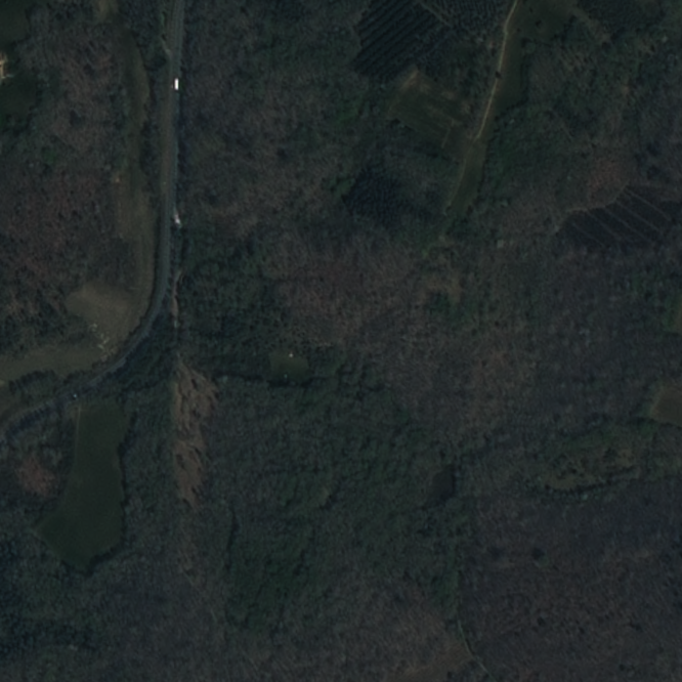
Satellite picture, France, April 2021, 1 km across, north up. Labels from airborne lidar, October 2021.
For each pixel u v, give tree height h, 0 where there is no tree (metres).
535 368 19
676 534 15
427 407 17
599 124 25
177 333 17
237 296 17
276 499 19
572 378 10
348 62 21
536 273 13
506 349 21
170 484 25
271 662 9
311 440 25
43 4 0
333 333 17
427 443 20
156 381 17
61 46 10
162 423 22
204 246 20
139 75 0
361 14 12
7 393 0
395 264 15
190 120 18
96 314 0
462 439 20
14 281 7
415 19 11
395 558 22
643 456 15
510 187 18
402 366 19
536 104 17
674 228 10
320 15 20
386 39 11
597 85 25
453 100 0
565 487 0
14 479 6
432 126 0
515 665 11
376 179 20
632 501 16
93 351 0
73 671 21
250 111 20
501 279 9
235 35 18
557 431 11
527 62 6
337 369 23
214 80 20
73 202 9
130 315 0
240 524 21
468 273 8
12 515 26
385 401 25
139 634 22
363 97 12
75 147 20
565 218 6
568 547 6
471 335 9
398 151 12
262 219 13
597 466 17
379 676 10
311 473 18
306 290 11
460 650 0
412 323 11
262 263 23
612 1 9
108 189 12
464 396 13
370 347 22
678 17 20
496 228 8
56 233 8
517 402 18
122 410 15
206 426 22
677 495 14
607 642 8
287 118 18
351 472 27
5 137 19
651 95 25
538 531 10
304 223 12
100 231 8
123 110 22
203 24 17
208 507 23
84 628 13
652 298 15
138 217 0
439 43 17
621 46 25
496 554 10
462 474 16
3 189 8
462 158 0
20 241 6
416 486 22
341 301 10
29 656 16
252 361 8
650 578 11
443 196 16
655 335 17
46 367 0
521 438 15
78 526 0
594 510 17
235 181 17
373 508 27
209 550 19
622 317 13
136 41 19
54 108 10
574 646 10
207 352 14
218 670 13
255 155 17
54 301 7
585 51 24
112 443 0
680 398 0
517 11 0
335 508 21
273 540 23
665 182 21
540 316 14
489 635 8
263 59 22
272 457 16
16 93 0
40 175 11
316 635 13
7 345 11
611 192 8
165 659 11
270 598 15
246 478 20
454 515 24
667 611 14
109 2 0
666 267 13
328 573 10
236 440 17
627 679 8
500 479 28
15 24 0
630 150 13
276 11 16
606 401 13
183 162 13
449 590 26
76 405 22
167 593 21
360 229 9
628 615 20
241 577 19
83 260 17
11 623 15
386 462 16
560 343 13
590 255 9
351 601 14
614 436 22
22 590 21
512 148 16
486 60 17
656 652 9
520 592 6
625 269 10
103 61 16
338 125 16
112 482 0
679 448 15
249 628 13
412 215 18
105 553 0
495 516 12
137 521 17
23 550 27
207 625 14
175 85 0
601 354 9
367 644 10
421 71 19
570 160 11
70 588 17
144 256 0
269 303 13
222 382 22
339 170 19
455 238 14
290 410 24
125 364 0
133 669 18
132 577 15
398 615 16
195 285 16
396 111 0
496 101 0
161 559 18
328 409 17
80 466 0
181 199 16
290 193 8
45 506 9
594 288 12
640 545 22
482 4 11
